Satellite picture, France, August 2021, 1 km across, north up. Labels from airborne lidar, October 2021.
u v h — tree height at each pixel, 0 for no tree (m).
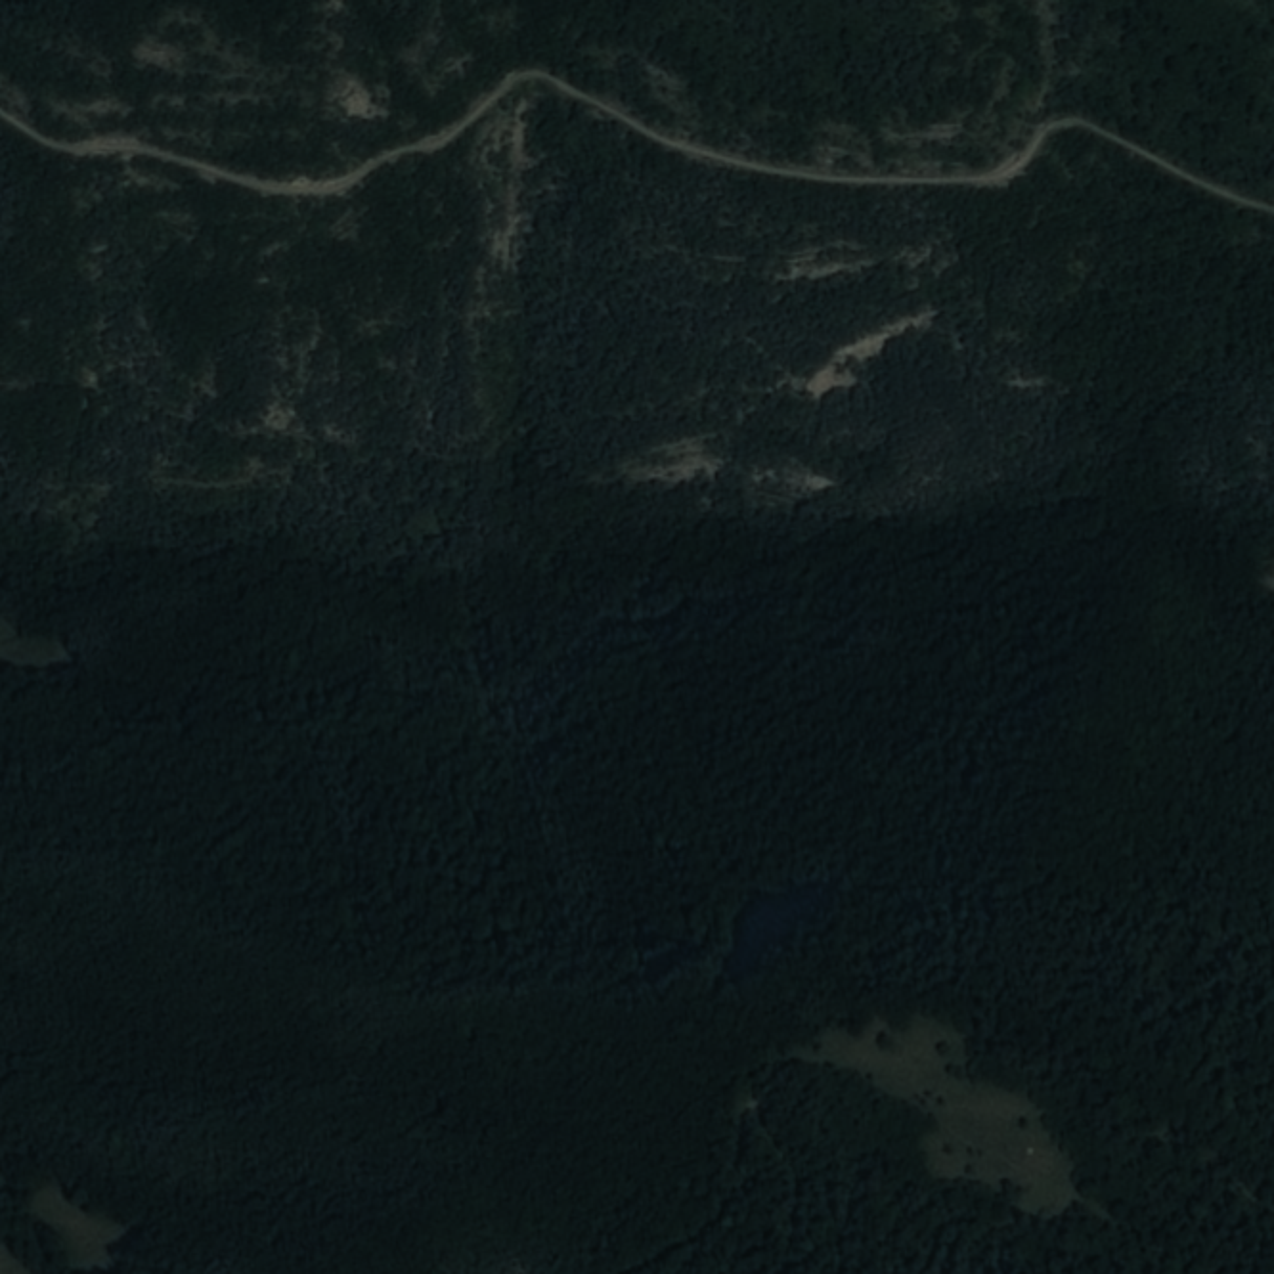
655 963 30
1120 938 20
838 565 27
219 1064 24
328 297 7
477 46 8
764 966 17
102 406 7
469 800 24
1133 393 8
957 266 7
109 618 21
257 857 29
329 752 27
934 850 22
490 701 12
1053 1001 24
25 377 9
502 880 32
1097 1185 15
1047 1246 8
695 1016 18
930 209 7
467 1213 19
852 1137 6
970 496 12
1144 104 8
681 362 11
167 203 6
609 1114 21
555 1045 19
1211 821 25
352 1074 19
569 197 14
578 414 13
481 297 6
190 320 9
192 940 17
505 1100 25
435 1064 24
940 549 26
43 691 29
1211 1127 22
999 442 9
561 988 14
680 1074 21
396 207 11
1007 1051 18
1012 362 8
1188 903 26
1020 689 30
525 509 14
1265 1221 23
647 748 22
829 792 30
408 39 6
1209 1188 17
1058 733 25
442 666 13
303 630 22
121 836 18
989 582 24
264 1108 19
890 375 13
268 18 8
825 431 9
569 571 18
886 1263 8
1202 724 27
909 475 9
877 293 9
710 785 29
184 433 12
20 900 17
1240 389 11
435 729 21
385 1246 22
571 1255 11
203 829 26
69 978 19
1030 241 10
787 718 28
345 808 29
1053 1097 8
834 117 8
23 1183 20
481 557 14
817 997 16
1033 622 21
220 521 14
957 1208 10
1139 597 22
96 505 6
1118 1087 22
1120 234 9
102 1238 0
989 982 22
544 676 17
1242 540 16
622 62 8
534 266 9
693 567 21
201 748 23
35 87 6
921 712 25
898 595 24
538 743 16
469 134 7
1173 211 5
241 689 28
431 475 13
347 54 7
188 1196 18
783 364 8
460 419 8
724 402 9
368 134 10
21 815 23
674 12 6
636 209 7
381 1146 17
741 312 12
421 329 9
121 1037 22
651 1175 20
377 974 18
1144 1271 7
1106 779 23
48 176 7
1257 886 24
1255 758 30
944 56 11
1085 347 9
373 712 29
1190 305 14
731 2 6
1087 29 10
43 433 10
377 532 13
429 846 30
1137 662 22
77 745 22
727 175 9
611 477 12
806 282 10
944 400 14
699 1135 20
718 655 24
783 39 9
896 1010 16
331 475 12
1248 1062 20
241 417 10
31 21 7
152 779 24
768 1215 20
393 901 26
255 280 8
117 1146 14
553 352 9
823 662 27
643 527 12
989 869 18
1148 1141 7
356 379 8
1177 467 13
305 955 20
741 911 19
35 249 7
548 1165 28
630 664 24
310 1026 20
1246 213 10
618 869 27
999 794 22
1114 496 15
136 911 17
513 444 8
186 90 6
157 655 22
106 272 7
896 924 24
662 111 7
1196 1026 20
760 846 25
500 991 16
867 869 18
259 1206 22
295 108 6
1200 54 16
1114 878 24
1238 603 18
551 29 8
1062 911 20
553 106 8
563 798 27
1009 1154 0
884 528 23
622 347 13
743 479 11
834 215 12
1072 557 24
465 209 10
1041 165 9
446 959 22
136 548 8
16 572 19
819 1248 17
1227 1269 8
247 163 7
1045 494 21
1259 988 7
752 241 6
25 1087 26
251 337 7
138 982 21
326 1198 17
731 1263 19
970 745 25
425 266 12
